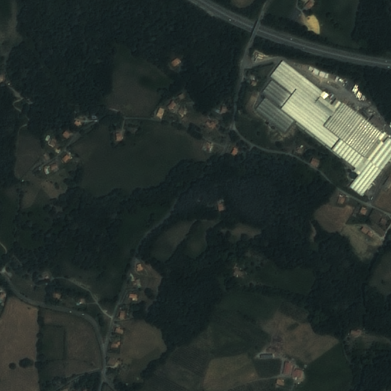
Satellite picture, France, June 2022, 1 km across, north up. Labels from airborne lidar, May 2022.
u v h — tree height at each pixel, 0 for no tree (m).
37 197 0
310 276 0
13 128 15
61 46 17
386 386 20
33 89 15
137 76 0
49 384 12
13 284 0
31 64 16
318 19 0
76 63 15
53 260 9
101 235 19
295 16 0
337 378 0
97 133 0
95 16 13
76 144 0
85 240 19
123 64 0
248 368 0
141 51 16
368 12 22
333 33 0
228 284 18
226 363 0
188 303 23
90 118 7
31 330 0
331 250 22
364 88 6
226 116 14
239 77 8
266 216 26
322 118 0
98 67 24
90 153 0
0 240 0
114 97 0
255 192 19
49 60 21
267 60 0
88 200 22
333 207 0
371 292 23
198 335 22
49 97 11
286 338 0
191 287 14
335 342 0
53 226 14
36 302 0
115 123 11
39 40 16
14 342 0
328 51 0
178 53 19
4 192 0
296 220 23
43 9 10
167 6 11
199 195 18
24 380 0
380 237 0
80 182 16
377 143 0
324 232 17
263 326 0
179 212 15
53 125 6
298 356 0
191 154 0
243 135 6
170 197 23
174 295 26
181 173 28
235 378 0
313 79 0
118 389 21
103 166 0
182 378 0
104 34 22
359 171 0
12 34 0
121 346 0
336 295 15
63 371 0
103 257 13
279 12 0
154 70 0
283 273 0
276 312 0
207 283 25
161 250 0
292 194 28
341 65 16
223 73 18
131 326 0
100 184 0
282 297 8
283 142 0
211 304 24
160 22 22
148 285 0
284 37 0
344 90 0
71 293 20
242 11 10
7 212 0
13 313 0
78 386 14
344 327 13
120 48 0
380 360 21
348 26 0
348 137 0
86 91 17
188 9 13
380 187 0
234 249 7
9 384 0
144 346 0
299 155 6
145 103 0
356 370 14
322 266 20
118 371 6
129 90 0
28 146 0
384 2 22
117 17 14
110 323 0
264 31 0
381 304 22
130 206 18
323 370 0
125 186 0
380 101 15
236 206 20
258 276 0
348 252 19
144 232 0
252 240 16
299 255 24
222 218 18
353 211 0
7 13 0
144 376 17
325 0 0
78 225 27
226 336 0
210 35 16
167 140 0
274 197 27
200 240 0
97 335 0
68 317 0
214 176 27
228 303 0
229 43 20
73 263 8
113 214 24
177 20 15
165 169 0
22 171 0
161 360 13
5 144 16
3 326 0
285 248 24
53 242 18
